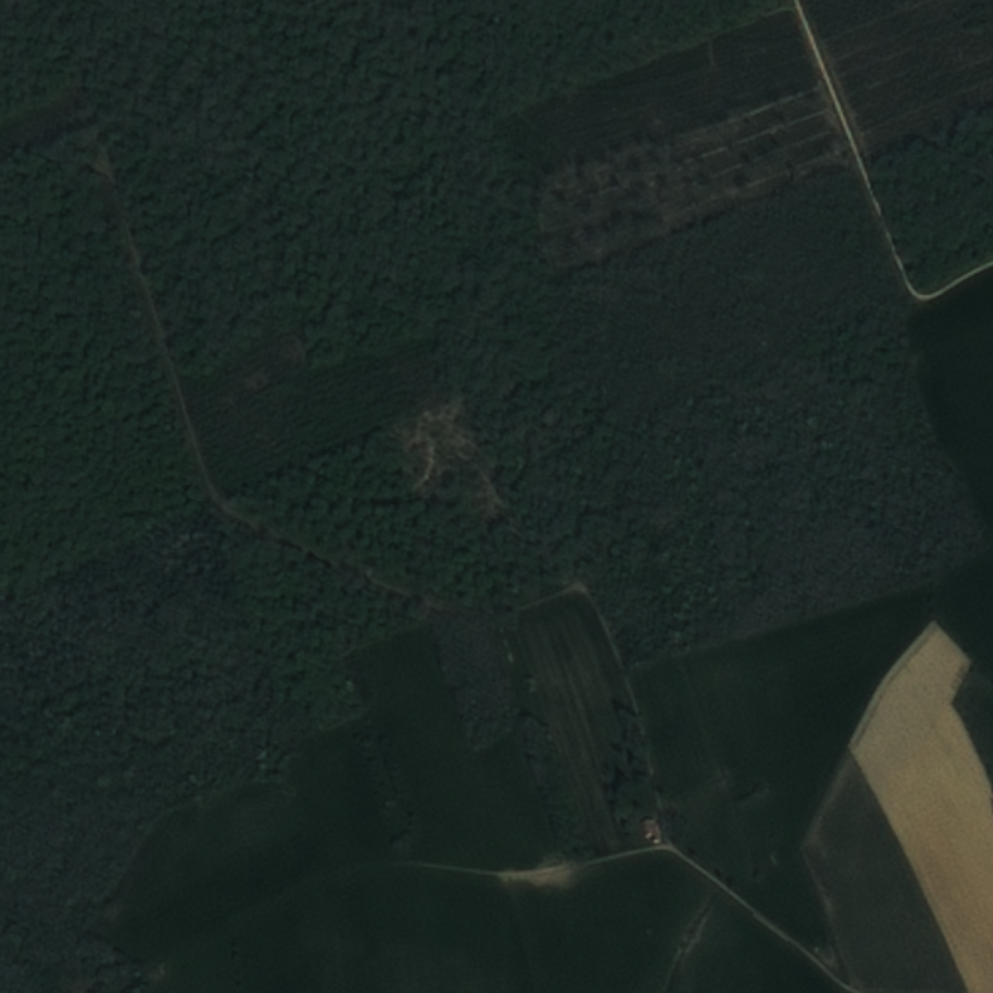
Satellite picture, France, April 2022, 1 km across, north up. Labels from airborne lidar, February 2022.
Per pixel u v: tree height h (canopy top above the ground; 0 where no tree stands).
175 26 28
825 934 0
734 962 0
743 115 27
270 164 22
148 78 29
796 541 25
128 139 28
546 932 0
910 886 0
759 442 24
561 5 24
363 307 13
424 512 20
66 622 15
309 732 13
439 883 0
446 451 22
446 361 19
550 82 22
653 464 24
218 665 16
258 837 0
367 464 20
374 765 6
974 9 8
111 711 22
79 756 21
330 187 25
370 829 0
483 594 21
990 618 0
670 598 7
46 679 19
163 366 19
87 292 24
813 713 0
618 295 23
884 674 0
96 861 25
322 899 0
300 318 18
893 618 0
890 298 20
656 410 21
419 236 25
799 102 23
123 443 26
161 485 20
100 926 0
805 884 0
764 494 25
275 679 22
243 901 0
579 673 0
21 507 25
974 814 0
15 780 21
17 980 13
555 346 19
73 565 23
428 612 22
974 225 26
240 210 19
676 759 0
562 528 26
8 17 19
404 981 0
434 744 0
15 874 21
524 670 0
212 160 24
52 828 21
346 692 19
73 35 24
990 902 0
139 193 14
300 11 25
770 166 27
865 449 10
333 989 0
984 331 0
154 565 21
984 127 30
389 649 0
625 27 27
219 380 7
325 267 20
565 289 20
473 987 0
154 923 0
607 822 0
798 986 0
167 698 22
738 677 0
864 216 18
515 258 28
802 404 16
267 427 6
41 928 20
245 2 20
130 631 25
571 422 22
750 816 0
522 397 19
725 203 0
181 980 0
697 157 0
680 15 26
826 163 24
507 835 0
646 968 0
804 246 17
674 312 17
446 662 22
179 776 19
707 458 19
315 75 25
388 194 23
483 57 20
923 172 22
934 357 0
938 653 0
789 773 0
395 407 6
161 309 15
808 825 0
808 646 0
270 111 21
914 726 0
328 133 24
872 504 15
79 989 0
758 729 0
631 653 6
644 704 0
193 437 0
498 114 19
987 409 0
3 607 18
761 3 28
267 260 19
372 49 23
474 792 0
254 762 19
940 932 0
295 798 0
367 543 24
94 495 21
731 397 19
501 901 0
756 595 16
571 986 0
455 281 27
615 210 0
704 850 0
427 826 0
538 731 19
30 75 24
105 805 23
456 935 0
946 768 0
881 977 0
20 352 23
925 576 6
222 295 16
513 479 14
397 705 0
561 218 0
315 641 23
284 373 6
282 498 23
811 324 18
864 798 0
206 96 28
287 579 23
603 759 0
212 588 24
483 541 15
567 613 0
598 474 21
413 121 22
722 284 16
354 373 6
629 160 25
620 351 20
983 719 0
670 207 27
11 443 20
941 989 0
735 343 17
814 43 0
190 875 0
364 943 0
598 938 0
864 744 0
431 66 25
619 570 18
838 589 19
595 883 0
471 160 28
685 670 0
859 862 0
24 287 19
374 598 23
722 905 0
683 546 14
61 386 22
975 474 0
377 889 0
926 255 26
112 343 20
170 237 25
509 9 26
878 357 22
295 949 0
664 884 0
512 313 18
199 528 19
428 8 27
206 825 0
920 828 0
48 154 22
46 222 20
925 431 21
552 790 21
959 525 26
